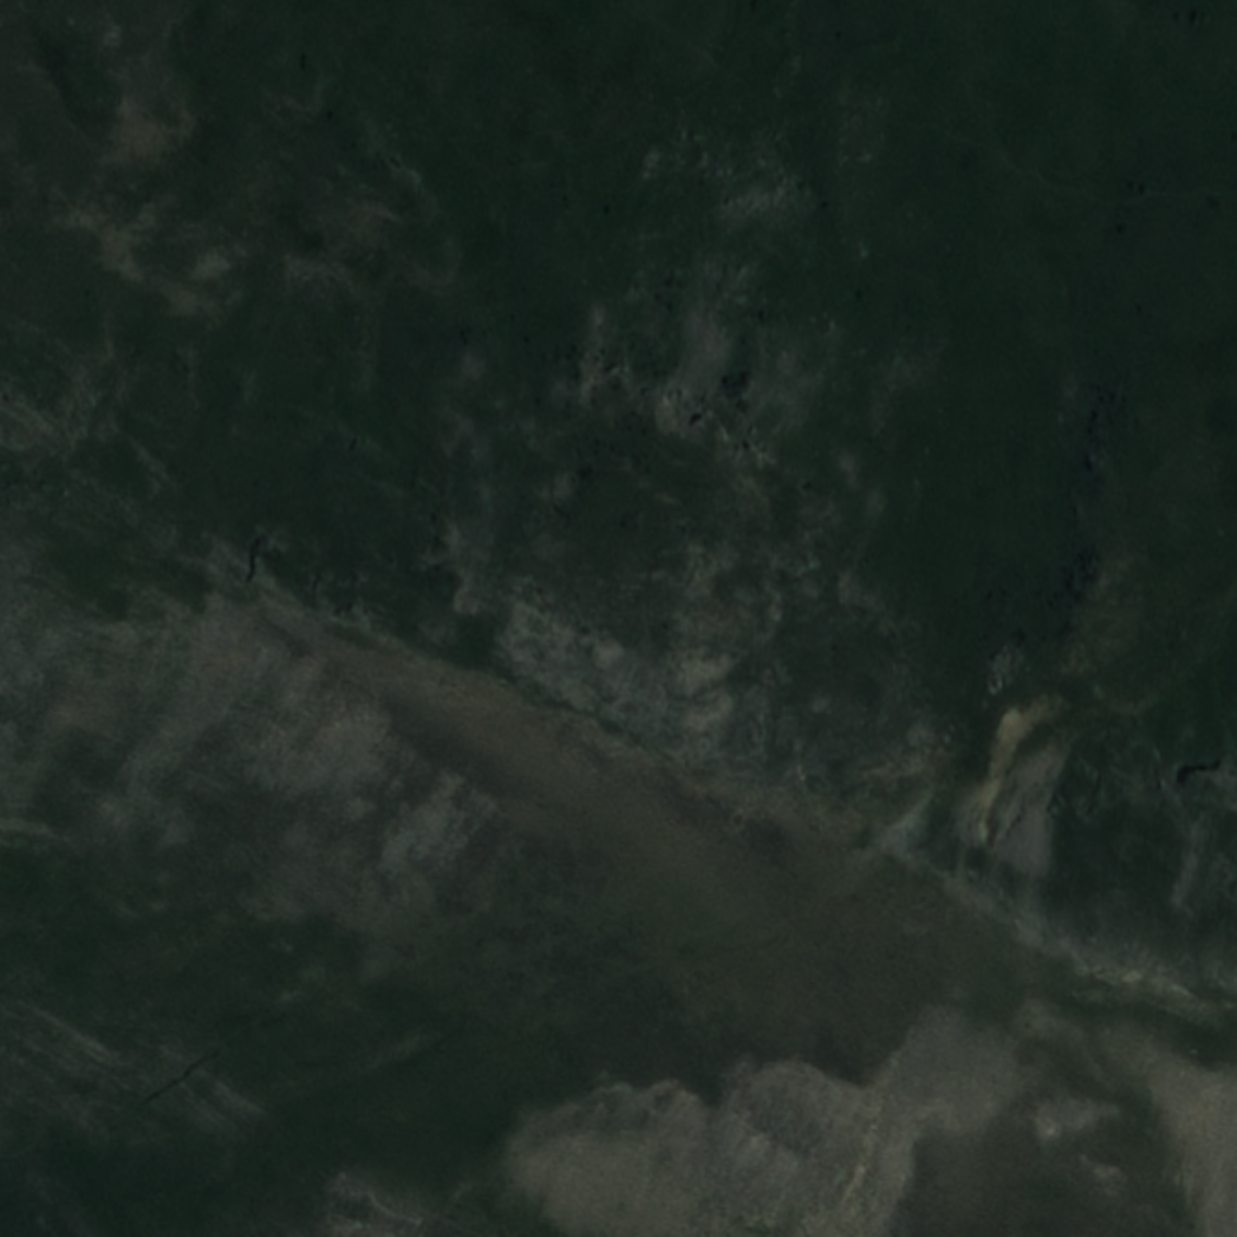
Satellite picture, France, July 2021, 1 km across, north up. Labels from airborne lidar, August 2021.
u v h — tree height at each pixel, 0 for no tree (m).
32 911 0
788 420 0
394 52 0
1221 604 0
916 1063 0
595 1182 0
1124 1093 0
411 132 0
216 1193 0
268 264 0
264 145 0
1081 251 0
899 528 0
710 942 0
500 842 0
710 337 0
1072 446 0
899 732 0
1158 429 0
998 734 0
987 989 0
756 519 0
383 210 0
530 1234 0
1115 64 0
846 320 0
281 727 0
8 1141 0
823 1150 0
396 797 0
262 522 0
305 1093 0
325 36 0
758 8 8
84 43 0
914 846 0
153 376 0
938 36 0
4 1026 0
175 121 0
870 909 0
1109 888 0
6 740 0
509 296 0
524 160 0
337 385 0
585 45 0
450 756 0
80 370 0
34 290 0
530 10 0
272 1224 0
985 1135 0
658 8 0
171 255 0
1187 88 0
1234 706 0
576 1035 0
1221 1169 0
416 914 0
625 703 0
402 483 0
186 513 0
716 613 0
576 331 0
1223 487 0
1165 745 0
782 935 0
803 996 0
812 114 0
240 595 0
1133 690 0
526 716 0
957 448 0
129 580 0
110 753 0
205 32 0
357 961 0
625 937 0
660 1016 0
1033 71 0
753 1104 0
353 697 0
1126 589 0
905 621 0
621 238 0
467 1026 0
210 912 0
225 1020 0
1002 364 0
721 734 0
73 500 0
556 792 0
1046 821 0
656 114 0
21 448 0
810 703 0
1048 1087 0
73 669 0
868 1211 0
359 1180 0
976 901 0
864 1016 0
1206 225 0
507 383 0
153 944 0
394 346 0
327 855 0
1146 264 0
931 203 0
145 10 0
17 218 0
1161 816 0
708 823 0
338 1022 0
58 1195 0
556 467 0
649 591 0
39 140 0
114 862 0
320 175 0
